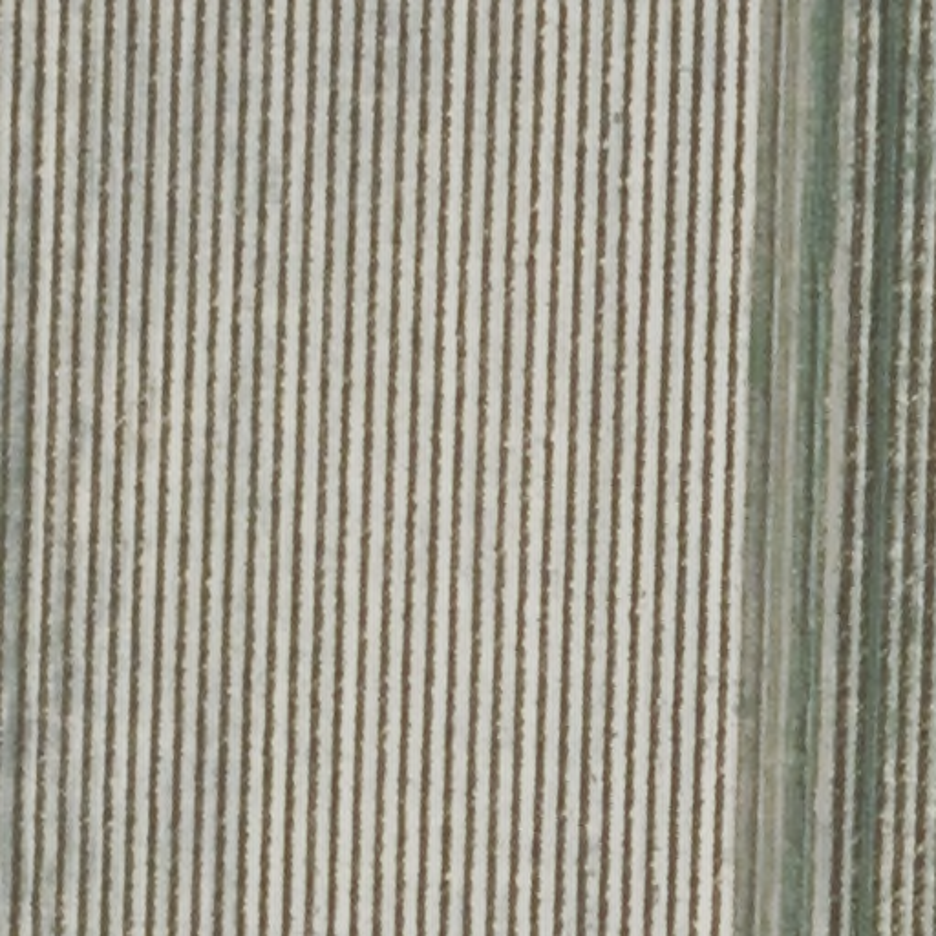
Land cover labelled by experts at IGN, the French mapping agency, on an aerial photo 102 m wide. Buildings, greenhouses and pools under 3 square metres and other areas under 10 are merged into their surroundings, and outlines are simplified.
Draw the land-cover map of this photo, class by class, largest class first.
<instances>
[{"label":"vineyard","instance_id":"1","mask_svg":"<svg viewBox=\"0 0 936 936\"><path fill-rule=\"evenodd\" d=\"M815 0H0V936H782L786 775L793 757V519L801 497V271L804 183L815 121ZM834 329L826 395L830 457L823 501L826 570L812 936H936V0H845L837 106V234L830 274Z\"/></svg>","mask_w":936,"mask_h":936},{"label":"herbaceous vegetation","instance_id":"2","mask_svg":"<svg viewBox=\"0 0 936 936\"><path fill-rule=\"evenodd\" d=\"M845 0H815V121L804 183L801 271V497L793 519V757L786 775L782 936H812L826 570L823 501L830 457L826 395L834 329L830 274L837 234V106Z\"/></svg>","mask_w":936,"mask_h":936}]
</instances>
